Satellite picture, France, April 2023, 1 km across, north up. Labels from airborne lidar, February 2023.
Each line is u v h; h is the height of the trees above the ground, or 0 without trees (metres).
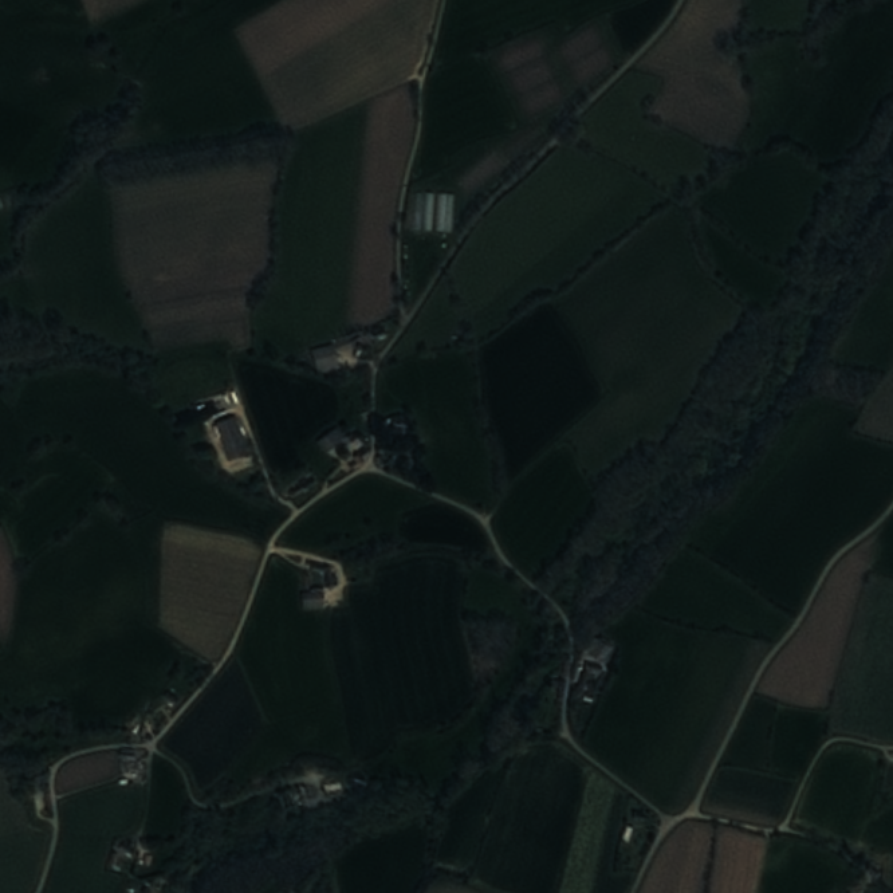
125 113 17
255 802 8
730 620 0
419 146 0
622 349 0
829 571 0
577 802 0
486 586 0
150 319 0
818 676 0
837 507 0
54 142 0
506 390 0
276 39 0
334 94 0
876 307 0
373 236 0
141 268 0
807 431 0
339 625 0
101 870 0
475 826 0
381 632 0
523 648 0
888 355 0
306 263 0
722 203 0
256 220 0
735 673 0
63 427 0
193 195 0
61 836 0
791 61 0
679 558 0
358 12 0
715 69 0
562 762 0
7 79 0
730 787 0
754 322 18
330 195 0
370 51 0
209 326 0
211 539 0
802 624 0
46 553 0
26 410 0
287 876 16
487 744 24
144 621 0
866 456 0
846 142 0
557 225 0
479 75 0
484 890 0
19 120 0
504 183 12
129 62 0
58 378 0
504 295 0
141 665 0
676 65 0
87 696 0
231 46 0
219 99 0
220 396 0
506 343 0
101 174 19
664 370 0
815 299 20
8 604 0
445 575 0
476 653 21
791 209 0
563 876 0
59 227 0
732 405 29
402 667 0
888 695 0
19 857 0
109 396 0
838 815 0
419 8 0
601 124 0
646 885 0
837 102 0
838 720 0
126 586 0
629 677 0
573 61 0
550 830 0
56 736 6
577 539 16
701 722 0
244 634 0
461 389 0
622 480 20
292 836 11
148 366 7
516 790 0
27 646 0
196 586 0
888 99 12
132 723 0
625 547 11
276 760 0
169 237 0
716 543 0
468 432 0
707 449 7
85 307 0
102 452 0
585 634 16
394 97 0
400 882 0
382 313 0
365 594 0
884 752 0
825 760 0
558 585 27
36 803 0
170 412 7
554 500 0
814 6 10
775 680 0
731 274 0
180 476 0
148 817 0
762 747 0
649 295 0
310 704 0
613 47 0
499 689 0
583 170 0
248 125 0
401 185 0
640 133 0
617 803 0
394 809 25
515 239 0
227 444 0
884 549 0
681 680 0
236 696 0
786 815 0
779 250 0
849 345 0
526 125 0
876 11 0
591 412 0
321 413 0
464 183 0
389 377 0
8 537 0
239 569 0
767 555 0
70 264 0
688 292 0
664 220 0
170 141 0
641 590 18
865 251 19
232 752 0
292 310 0
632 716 0
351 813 24
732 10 0
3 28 0
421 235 0
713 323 0
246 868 17
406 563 0
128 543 0
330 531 0
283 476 0
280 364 14
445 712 0
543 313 0
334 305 0
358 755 0
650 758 0
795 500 0
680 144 0
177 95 0
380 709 0
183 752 0
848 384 15
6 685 0
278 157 21
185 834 6
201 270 0
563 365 0
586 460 0
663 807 0
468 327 10
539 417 0
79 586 0
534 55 0
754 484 0
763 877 0
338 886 0
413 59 0
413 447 20
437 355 0
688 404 6
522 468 0
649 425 0
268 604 0
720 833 0
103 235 0
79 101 0
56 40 0
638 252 0
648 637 0
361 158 0
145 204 0
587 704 0
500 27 0
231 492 9
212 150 17
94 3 0
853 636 0
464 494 0
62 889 0
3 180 0
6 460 0
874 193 7
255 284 9
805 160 13
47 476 0
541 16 0
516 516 0
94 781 0
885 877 0
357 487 0
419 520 0
